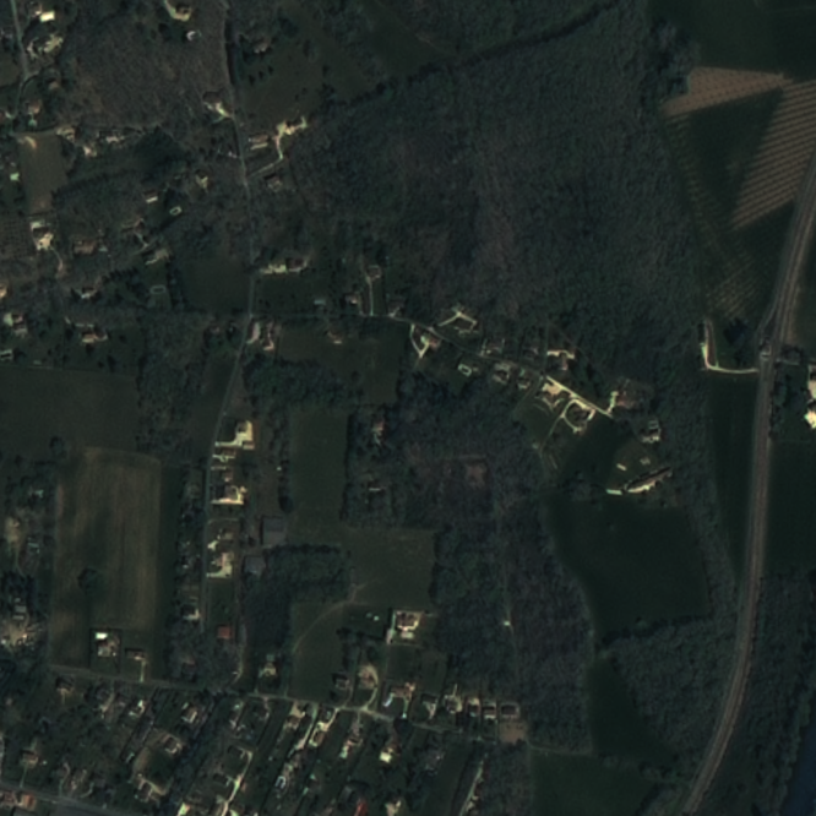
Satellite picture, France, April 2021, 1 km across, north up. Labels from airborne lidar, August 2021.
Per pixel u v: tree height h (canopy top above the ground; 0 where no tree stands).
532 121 23
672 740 24
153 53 18
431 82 26
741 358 10
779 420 9
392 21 0
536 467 25
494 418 24
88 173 18
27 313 13
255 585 21
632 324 20
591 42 22
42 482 11
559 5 24
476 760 11
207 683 21
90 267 19
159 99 19
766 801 0
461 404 16
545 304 21
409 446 18
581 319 22
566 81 19
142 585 0
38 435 0
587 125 20
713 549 16
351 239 17
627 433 13
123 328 18
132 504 0
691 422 24
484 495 13
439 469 13
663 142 15
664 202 18
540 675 24
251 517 12
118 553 0
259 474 14
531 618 12
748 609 0
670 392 16
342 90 0
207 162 9
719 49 0
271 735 0
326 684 0
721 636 21
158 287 0
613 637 0
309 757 10
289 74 0
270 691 16
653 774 17
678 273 18
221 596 0
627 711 0
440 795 0
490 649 24
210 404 0
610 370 19
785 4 0
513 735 0
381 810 9
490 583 25
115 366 18
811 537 6
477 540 12
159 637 0
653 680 22
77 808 0
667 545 0
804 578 13
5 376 0
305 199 10
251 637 15
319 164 18
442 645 17
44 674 15
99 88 18
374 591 0
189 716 0
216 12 17
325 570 24
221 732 18
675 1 0
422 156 11
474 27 25
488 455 20
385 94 20
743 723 12
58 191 0
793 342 0
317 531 0
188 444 7
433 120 22
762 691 17
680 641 21
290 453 10
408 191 7
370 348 0
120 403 0
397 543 0
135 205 16
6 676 17
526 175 20
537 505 22
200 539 9
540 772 0
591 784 0
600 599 0
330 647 0
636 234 14
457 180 10
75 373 0
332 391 17
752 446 0
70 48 15
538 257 23
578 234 10
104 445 0
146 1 21
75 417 0
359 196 21
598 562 0
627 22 23
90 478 0
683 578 0
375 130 22
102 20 20
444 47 0
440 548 18
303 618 0
